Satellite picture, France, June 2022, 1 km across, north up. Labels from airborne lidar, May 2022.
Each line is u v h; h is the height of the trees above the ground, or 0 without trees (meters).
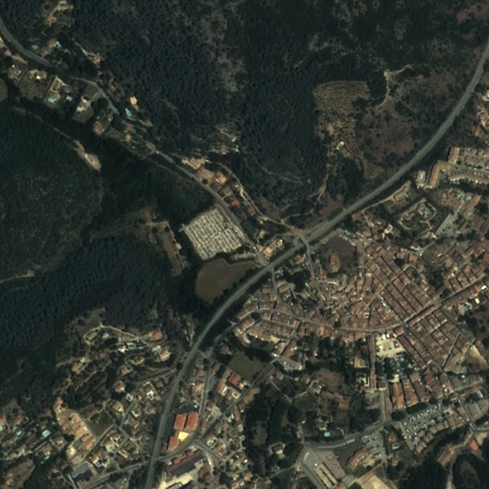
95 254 20
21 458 10
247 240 0
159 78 26
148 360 10
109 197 9
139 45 9
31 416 18
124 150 17
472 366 8
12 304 20
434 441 6
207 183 8
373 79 12
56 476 9
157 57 19
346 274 8
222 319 12
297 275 14
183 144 14
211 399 6
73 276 19
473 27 8
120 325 19
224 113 23
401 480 7
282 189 16
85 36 16
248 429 12
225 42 11
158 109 19
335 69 8
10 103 13
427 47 7
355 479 0
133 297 16
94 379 10
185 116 10
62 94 10
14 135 16
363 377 8
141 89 13
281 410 20
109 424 0
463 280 0
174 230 12
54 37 8
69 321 6
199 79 22
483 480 11
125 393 14
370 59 11
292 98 17
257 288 9
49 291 21
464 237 9
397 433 18
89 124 14
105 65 22
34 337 16
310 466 0
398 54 7
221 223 0
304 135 17
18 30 8
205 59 18
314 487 8
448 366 0
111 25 20
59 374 7
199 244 0
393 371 11
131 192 7
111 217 12
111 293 8
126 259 19
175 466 0
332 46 7
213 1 0
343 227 6
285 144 13
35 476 11
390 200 0
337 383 0
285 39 6
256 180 6
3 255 19
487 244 0
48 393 17
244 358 0
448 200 0
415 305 0
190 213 10
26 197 9
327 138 9
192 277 18
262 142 22
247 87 6
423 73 7
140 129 9
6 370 6
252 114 25
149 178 11
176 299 9
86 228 11
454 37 10
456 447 0
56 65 7
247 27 6
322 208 21
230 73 0
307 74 19
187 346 11
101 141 11
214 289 0
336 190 13
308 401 0
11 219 19
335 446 0
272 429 19
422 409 15
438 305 0
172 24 13
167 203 18
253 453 20
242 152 16
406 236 12
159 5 14
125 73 15
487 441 10
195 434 0
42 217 9
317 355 6
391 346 0
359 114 6
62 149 6
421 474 16
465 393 0
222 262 0
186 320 7
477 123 12
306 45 12
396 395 0
